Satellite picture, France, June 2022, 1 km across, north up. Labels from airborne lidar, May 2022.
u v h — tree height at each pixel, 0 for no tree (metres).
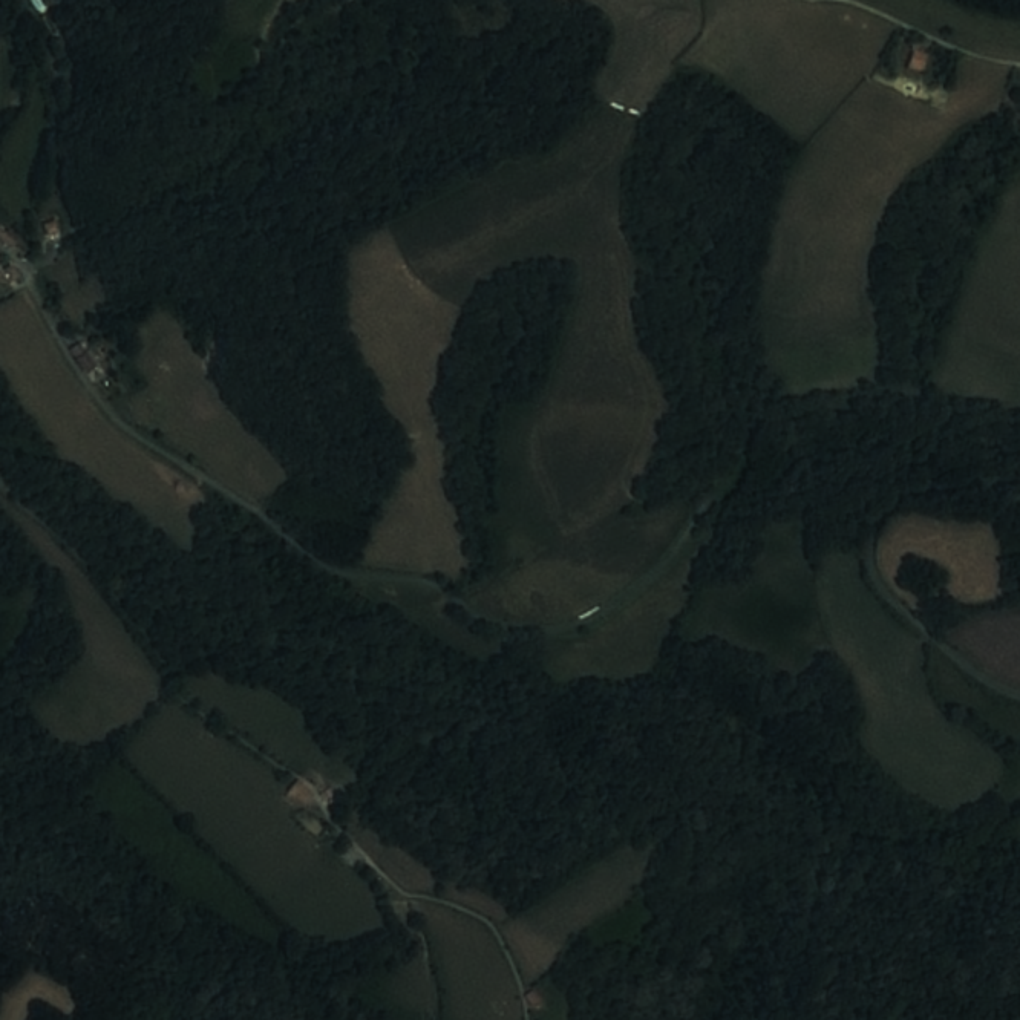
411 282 0
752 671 20
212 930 18
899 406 28
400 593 0
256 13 0
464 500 17
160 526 0
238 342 23
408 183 17
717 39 0
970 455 25
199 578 26
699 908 24
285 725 0
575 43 19
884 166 0
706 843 16
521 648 24
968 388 0
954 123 0
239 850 0
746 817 17
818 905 22
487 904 0
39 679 8
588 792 14
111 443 0
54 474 18
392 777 18
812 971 28
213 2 17
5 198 0
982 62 0
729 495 12
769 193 20
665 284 22
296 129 14
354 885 0
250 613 23
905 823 25
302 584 15
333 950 19
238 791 0
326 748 18
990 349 0
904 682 0
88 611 0
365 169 8
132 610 17
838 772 21
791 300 0
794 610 0
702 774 18
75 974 24
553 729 23
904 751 0
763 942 20
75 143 19
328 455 12
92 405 0
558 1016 0
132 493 0
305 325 16
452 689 21
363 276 0
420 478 0
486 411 13
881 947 17
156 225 18
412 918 13
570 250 0
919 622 17
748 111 15
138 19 20
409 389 0
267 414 17
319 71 19
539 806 18
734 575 27
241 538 14
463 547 11
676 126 29
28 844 7
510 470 0
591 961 17
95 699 0
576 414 0
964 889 17
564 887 8
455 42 20
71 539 15
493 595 0
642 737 12
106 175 19
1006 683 0
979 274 0
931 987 15
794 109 0
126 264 10
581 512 0
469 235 0
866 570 8
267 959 16
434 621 0
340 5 7
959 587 0
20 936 22
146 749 0
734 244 19
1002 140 22
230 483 0
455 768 24
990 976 22
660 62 0
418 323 0
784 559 0
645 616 0
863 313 0
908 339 27
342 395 15
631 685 18
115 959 25
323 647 19
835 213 0
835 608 0
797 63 0
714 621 0
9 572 19
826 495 24
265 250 20
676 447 13
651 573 0
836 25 0
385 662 12
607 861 10
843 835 23
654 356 17
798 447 28
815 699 17
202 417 0
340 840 9
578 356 0
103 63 26
